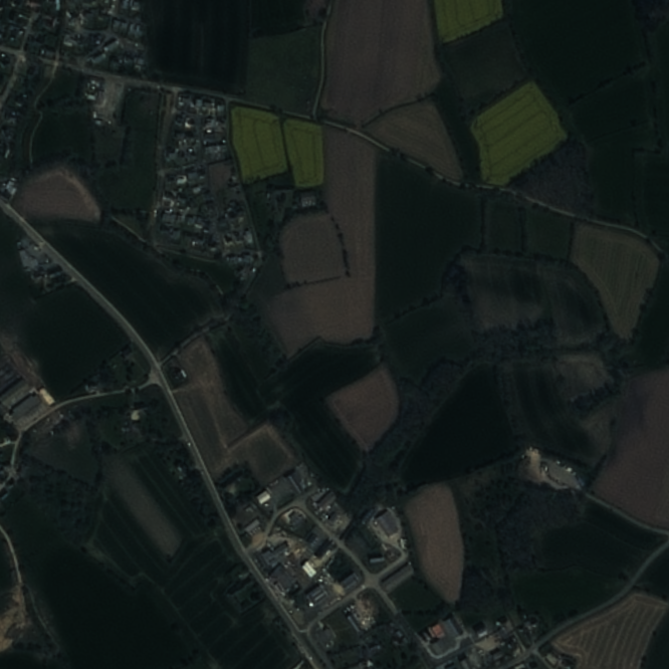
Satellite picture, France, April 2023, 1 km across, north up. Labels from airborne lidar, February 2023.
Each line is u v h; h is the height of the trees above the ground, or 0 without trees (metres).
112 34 0
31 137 0
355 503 11
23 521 0
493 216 0
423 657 7
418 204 0
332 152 0
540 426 0
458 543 0
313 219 0
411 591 0
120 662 0
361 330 0
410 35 0
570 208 15
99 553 0
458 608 13
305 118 0
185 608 0
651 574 0
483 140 0
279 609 0
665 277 0
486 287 0
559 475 0
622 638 0
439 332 0
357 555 0
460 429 0
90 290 0
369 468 13
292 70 0
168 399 0
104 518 0
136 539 0
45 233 0
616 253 0
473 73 0
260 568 0
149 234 9
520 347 15
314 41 0
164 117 0
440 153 0
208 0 0
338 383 0
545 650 0
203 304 0
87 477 0
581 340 0
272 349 6
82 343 0
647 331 0
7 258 0
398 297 0
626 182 0
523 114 0
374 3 0
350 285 0
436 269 0
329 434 0
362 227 0
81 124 0
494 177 0
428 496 0
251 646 0
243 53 0
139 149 0
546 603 0
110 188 0
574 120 0
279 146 0
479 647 0
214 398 0
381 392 0
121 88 0
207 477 0
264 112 0
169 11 0
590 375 0
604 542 0
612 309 0
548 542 0
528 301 0
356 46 0
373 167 0
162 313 0
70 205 0
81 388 0
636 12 16
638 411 0
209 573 0
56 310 0
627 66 0
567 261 5
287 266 0
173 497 0
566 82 0
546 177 16
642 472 0
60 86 0
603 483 0
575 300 0
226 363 0
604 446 0
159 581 0
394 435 9
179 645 0
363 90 0
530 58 0
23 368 0
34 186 0
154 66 0
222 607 0
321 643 0
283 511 0
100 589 0
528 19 0
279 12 0
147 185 0
